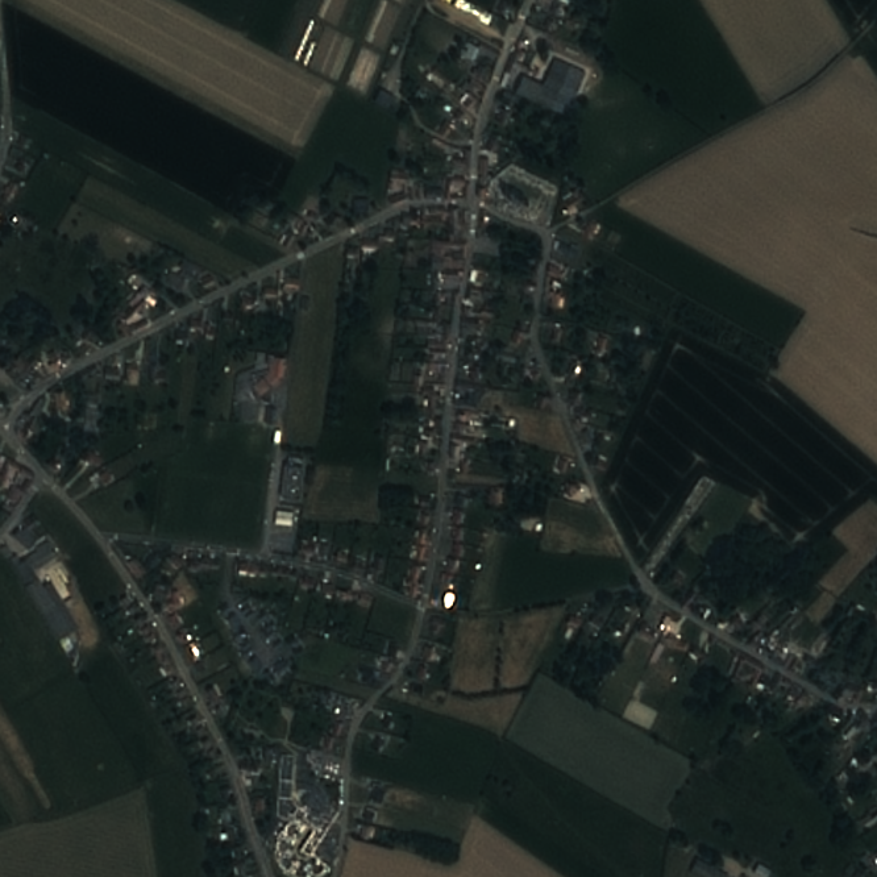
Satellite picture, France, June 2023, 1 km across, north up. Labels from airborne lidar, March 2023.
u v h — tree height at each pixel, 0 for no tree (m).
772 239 0
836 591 0
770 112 0
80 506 0
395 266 0
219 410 0
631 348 15
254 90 0
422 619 0
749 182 0
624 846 0
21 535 0
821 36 0
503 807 0
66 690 0
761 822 0
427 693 0
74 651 0
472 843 0
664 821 0
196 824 15
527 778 0
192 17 0
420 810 0
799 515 0
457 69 0
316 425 0
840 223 0
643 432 0
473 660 0
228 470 0
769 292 0
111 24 0
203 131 0
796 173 0
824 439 0
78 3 0
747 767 0
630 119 0
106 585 0
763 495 0
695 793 0
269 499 0
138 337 0
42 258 0
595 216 0
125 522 0
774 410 0
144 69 0
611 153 0
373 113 0
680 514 0
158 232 0
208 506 0
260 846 0
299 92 0
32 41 0
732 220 0
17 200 0
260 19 0
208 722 0
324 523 0
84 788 0
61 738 0
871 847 0
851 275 0
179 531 0
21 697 0
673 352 0
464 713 0
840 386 0
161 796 0
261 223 0
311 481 7
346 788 0
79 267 0
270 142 0
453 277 0
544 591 0
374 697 0
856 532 0
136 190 0
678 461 0
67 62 0
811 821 0
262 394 0
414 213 8
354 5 0
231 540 0
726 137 0
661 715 0
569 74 0
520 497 7
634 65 0
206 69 0
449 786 0
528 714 0
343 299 11
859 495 0
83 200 0
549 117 8
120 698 0
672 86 0
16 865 0
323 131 0
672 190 0
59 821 0
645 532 0
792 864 0
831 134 0
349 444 0
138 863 0
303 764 0
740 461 0
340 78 0
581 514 0
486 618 0
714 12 0
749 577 22
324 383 0
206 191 0
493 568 0
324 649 0
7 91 0
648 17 0
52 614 0
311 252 0
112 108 0
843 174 0
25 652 0
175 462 0
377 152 0
